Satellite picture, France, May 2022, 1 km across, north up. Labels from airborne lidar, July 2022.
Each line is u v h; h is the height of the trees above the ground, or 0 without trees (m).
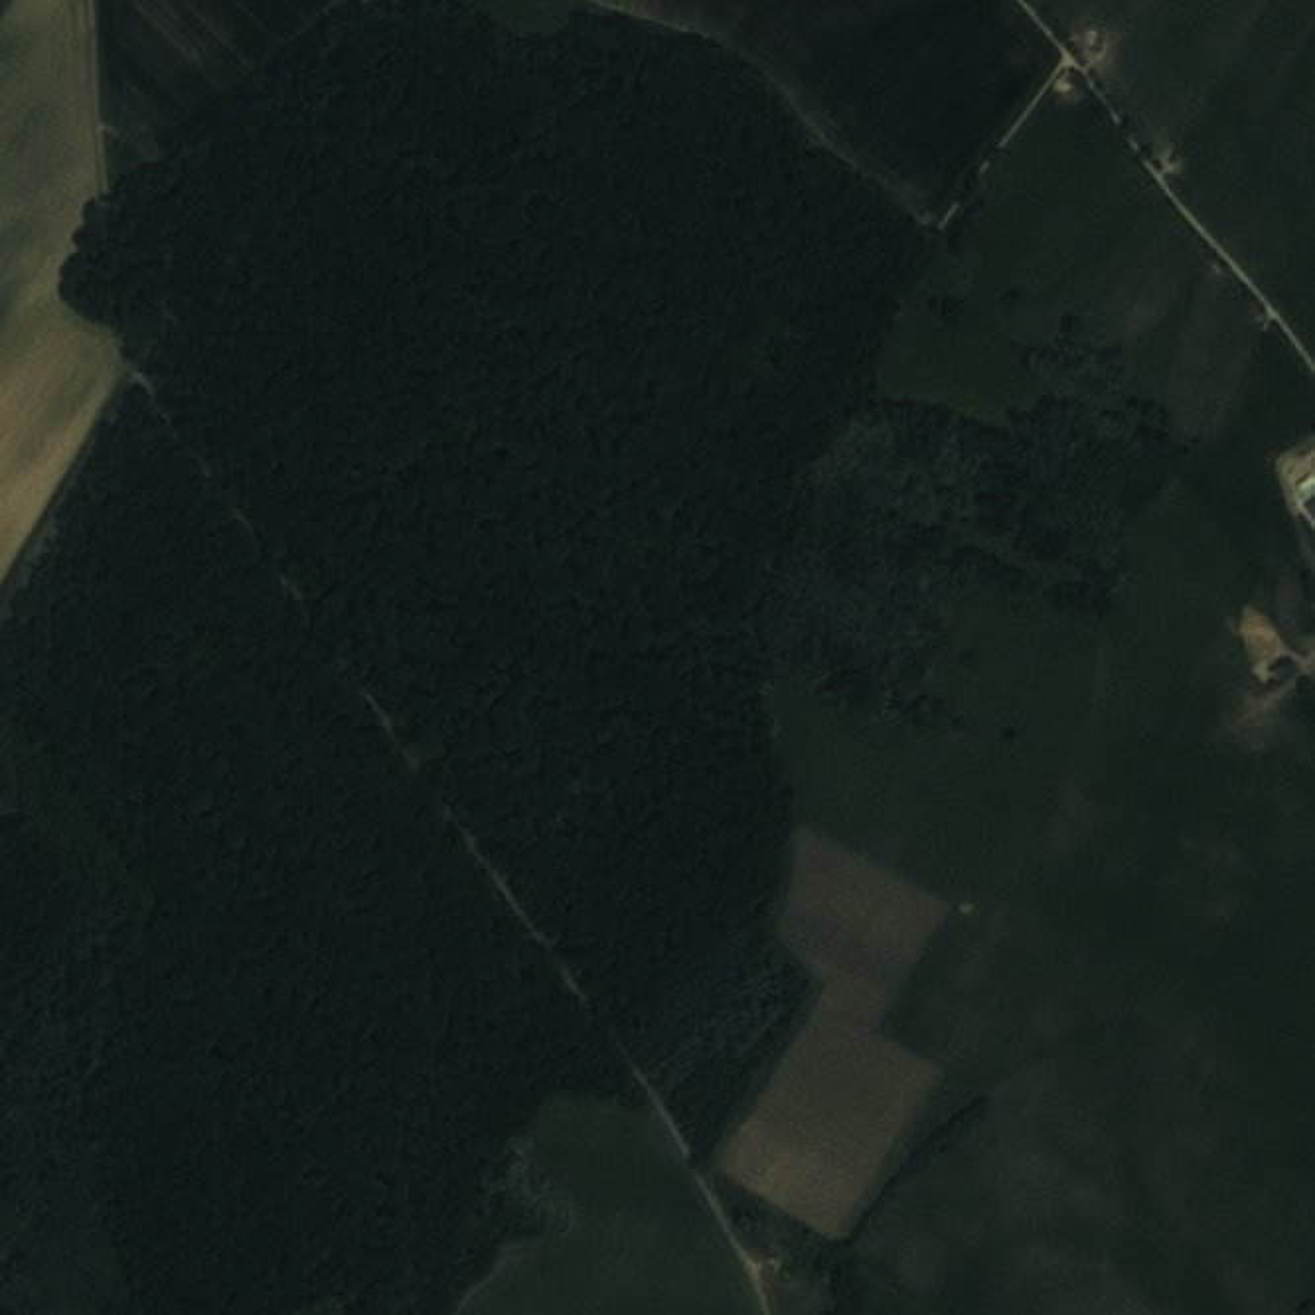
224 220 28
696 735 25
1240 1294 0
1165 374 0
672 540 29
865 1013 0
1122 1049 0
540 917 23
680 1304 0
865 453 24
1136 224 0
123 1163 24
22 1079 12
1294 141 0
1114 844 0
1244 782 0
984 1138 0
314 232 27
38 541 0
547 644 26
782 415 31
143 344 25
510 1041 27
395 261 29
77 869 11
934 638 18
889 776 0
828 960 0
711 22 0
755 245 28
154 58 0
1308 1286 0
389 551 32
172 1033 25
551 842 27
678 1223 0
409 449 31
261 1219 28
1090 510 19
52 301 0
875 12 0
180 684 28
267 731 27
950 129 0
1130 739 0
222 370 27
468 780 30
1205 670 0
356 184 30
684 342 29
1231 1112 0
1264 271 0
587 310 29
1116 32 0
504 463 29
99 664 29
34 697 24
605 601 29
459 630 31
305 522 28
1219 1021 0
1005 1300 0
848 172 18
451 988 28
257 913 26
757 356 28
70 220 0
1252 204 0
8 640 16
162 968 18
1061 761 0
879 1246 0
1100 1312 0
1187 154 0
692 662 26
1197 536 0
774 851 18
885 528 22
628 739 22
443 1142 29
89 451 0
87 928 7
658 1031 19
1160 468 16
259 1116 29
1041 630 0
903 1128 0
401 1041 26
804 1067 0
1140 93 0
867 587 20
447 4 15
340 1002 28
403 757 16
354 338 30
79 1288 15
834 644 18
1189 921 0
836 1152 0
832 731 0
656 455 29
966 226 16
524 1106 23
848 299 29
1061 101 0
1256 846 0
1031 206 0
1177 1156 0
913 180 0
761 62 0
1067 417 26
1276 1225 0
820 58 0
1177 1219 0
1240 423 0
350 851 33
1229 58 0
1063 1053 0
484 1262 14
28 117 0
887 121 0
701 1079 17
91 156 0
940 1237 0
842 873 0
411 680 26
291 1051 29
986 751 0
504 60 25
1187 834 0
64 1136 14
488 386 30
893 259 27
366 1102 29
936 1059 0
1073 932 0
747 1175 0
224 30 0
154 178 18
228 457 28
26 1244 12
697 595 26
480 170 28
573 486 32
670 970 23
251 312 29
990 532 12
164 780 27
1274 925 0
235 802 29
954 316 15
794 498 19
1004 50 0
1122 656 0
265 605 29
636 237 27
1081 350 14
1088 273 0
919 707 12
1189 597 0
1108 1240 0
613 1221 0
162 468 25
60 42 0
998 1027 0
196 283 31
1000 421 0
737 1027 22
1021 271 0
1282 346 0
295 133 27
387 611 29
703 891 20
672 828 24
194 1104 30
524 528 32
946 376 0
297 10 0
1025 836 0
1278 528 0
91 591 24
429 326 28
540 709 26
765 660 12
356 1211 32
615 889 23
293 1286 28
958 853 0
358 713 25
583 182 30
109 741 25
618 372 28
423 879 28
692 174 30
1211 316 0
